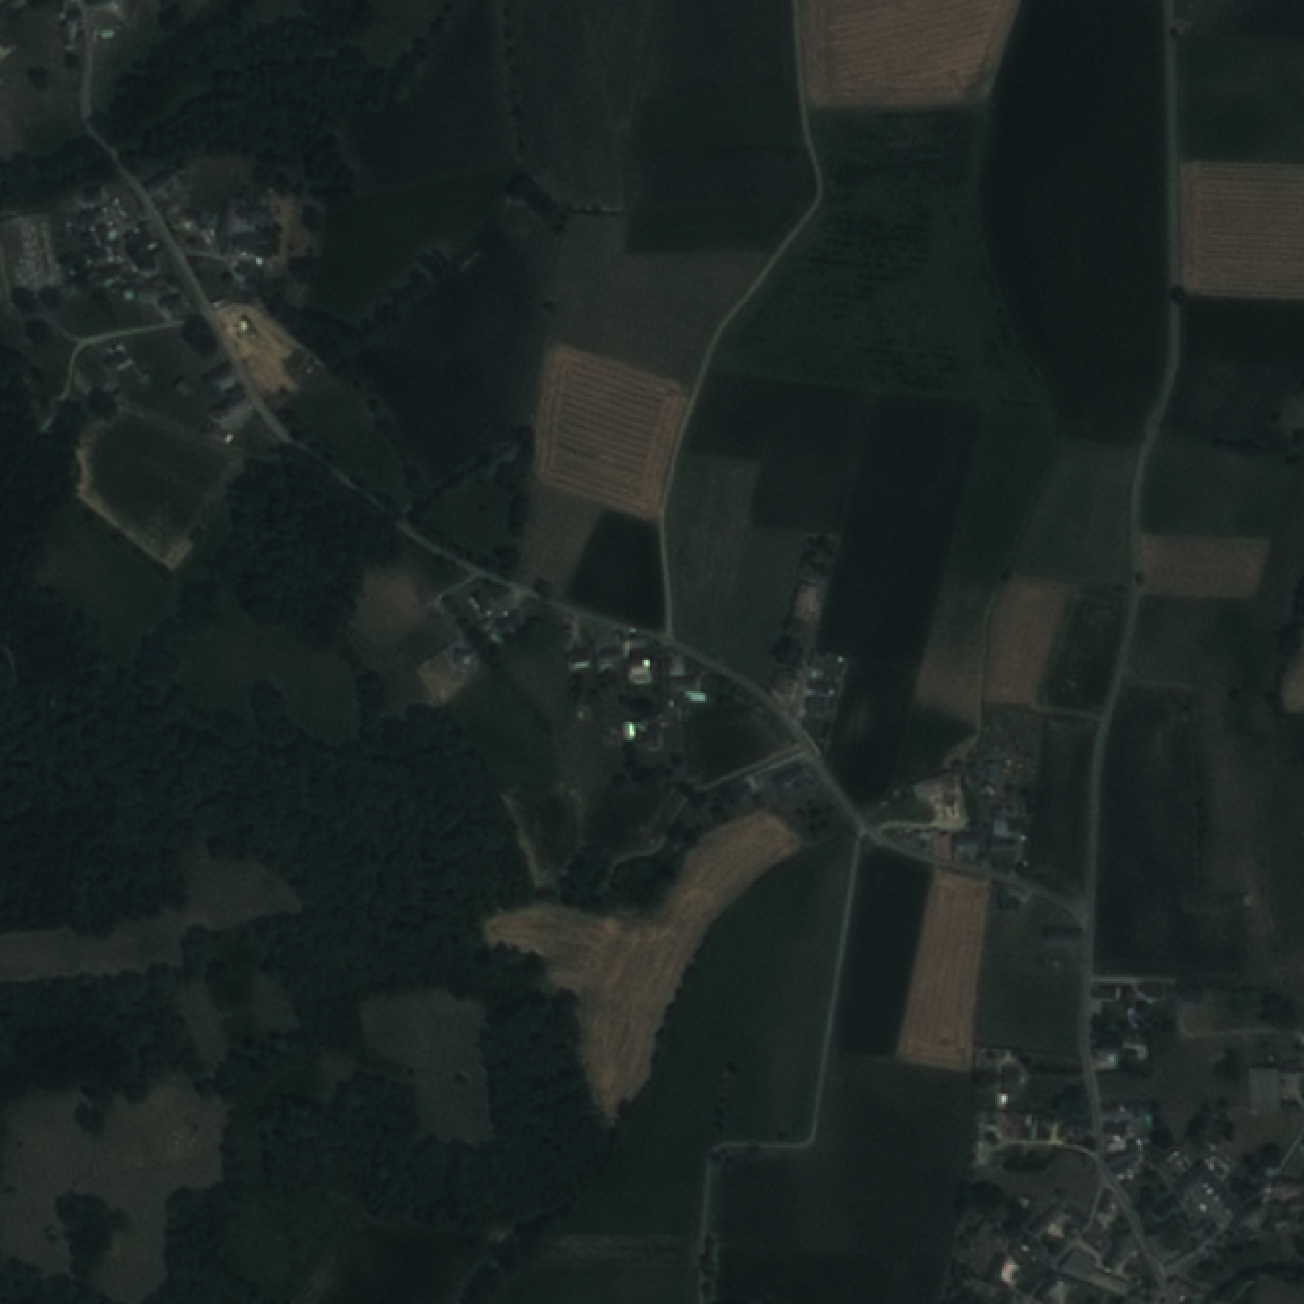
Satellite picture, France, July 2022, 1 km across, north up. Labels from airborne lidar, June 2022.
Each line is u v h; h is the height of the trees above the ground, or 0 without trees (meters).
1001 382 0
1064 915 0
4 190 21
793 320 0
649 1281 0
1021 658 0
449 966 24
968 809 0
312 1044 22
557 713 0
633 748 8
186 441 0
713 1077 0
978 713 0
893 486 0
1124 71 0
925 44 0
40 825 18
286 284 6
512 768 0
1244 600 0
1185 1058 0
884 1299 0
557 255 0
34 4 7
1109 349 0
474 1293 13
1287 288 0
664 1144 0
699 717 0
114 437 0
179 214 0
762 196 0
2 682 27
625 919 0
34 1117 0
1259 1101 0
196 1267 22
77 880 18
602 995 0
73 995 15
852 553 0
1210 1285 0
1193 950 0
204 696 0
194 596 20
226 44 22
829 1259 0
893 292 0
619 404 0
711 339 0
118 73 0
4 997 17
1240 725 0
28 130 0
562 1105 25
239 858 8
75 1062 20
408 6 0
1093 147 0
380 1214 20
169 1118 0
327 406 0
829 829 7
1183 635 0
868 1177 0
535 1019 24
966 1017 0
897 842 0
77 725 20
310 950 25
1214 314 0
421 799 25
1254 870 0
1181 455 0
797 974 0
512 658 0
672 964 0
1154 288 0
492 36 0
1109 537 0
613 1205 0
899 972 0
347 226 0
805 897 0
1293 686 0
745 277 0
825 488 0
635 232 0
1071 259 0
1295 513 0
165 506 0
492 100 0
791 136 0
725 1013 0
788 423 0
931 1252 0
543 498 0
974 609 0
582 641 0
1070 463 0
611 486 0
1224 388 0
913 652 0
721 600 0
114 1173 0
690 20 0
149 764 16
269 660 0
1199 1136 13
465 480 9
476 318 0
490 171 0
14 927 9
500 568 6
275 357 0
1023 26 0
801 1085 0
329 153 19
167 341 0
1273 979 0
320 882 25
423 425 0
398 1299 0
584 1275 0
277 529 13
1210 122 0
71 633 15
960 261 0
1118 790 0
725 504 0
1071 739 0
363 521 23
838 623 0
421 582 0
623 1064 0
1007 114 0
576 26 0
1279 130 0
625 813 0
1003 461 0
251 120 29
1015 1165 9
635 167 0
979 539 0
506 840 20
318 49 17
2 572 13
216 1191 10
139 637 0
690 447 0
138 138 0
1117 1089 0
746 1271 0
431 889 22
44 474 14
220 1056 0
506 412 0
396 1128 20
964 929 0
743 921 0
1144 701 0
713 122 0
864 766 0
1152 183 0
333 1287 0
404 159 0
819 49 0
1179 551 0
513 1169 24
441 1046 0
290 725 23
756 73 0
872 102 0
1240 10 0
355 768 27
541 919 0
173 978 18
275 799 23
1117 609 0
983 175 0
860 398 0
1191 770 0
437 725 23
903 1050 0
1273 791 0
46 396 0
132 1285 0
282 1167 22
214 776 27
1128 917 0
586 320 0
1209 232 0
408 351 0
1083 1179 0
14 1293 24
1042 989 0
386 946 20
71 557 0
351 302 0
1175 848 0
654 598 0
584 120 0
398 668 0
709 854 0
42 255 0
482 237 0
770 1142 0
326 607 30
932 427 0
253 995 0
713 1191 0
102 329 0
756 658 0
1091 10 0
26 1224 0
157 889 23
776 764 0
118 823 24
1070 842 0
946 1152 0
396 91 20
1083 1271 0
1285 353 0
